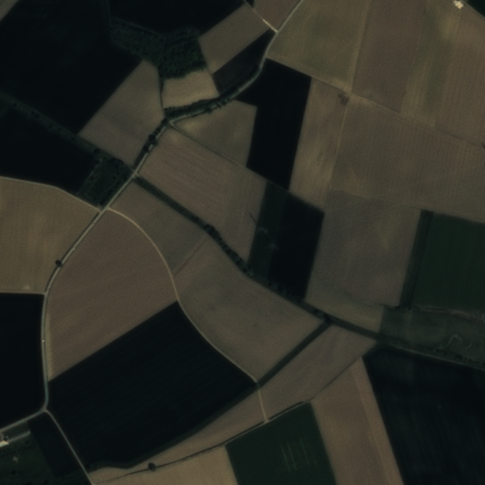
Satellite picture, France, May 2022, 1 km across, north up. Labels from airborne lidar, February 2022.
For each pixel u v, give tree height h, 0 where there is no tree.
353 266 0
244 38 0
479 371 0
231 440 0
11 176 0
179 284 0
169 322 0
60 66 0
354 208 0
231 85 0
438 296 0
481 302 0
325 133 0
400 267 0
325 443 0
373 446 0
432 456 0
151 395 0
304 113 0
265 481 0
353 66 0
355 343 0
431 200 0
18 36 0
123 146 0
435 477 0
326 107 0
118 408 0
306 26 0
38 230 0
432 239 0
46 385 0
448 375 0
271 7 0
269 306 0
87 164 0
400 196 0
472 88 0
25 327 0
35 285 0
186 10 0
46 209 0
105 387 0
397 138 0
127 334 0
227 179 0
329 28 0
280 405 0
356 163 0
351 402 0
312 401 0
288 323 0
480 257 0
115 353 0
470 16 0
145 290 0
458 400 0
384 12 0
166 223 0
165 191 0
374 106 0
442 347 0
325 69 0
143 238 0
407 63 0
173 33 0
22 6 0
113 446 0
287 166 0
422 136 0
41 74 0
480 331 0
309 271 0
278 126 0
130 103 0
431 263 0
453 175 0
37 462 0
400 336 0
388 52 0
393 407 0
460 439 0
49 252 0
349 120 0
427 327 0
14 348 0
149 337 0
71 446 0
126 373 0
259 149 0
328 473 0
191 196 0
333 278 0
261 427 0
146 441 0
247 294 0
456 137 0
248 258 0
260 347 0
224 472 0
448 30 0
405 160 0
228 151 0
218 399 0
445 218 0
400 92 0
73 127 0
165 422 0
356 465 0
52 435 0
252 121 0
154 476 0
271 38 0
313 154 0
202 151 0
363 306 0
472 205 0
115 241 0
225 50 0
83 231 0
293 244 0
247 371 0
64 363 0
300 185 0
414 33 0
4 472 0
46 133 0
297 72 0
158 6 0
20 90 0
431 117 0
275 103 0
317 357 0
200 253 0
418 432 0
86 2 0
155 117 0
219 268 0
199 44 0
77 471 0
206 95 0
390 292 0
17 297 0
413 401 0
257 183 0
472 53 0
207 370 0
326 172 0
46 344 0
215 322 0
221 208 0
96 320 0
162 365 0
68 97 0
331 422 0
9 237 0
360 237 0
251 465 0
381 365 0
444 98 0
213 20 0
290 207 0
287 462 0
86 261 0
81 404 0
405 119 0
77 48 0
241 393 0
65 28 0
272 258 0
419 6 0
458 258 0
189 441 0
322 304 0
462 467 0
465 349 0
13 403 0
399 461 0
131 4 0
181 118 0
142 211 0
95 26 0
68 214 0
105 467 0
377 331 0
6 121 0
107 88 0
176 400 0
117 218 0
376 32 0
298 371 0
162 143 0
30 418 0
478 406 0
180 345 0
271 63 0
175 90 0
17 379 0
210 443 0
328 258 0
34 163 0
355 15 0
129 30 17
